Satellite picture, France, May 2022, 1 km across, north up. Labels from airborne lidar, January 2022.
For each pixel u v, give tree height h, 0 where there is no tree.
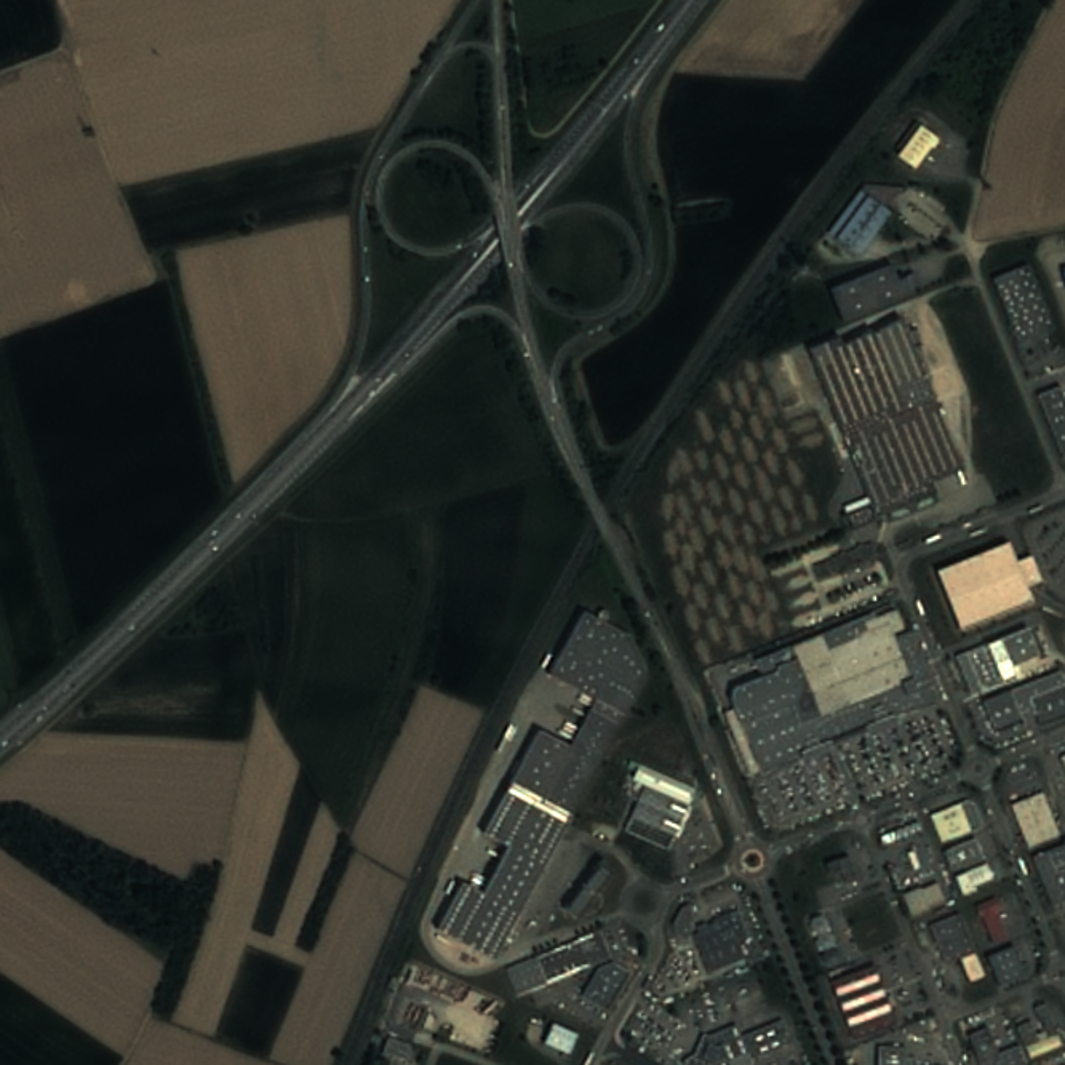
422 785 0
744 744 0
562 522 0
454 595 0
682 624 0
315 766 0
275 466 0
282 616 0
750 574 0
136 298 0
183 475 0
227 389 0
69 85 0
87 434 0
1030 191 0
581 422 10
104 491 0
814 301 0
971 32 8
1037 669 0
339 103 0
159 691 0
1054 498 0
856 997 0
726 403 0
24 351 0
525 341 0
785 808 0
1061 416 0
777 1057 0
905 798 0
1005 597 0
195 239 0
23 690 0
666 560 0
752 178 0
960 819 0
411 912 0
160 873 15
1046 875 0
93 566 0
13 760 0
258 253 0
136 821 0
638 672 0
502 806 0
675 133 0
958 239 0
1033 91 0
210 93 0
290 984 0
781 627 0
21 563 0
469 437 0
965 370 0
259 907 0
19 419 0
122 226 0
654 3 0
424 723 0
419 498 0
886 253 0
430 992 0
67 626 0
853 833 0
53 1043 0
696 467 0
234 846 0
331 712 0
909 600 0
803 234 0
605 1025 0
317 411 0
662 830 0
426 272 0
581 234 0
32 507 0
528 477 0
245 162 0
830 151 0
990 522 0
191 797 0
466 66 0
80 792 0
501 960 0
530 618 0
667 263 0
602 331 0
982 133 0
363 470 0
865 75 0
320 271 0
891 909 0
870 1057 0
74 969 0
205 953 0
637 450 0
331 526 0
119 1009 0
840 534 9
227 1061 0
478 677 0
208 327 0
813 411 0
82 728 0
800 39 0
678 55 0
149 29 0
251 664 0
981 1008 0
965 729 0
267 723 0
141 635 0
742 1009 0
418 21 0
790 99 0
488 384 0
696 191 0
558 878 0
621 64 0
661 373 0
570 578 0
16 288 0
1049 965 0
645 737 0
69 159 0
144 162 0
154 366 0
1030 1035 0
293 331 0
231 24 0
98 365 0
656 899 0
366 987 0
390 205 0
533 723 0
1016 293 0
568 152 0
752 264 0
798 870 0
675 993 0
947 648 0
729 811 0
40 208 0
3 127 0
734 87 0
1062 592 0
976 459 0
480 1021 0
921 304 0
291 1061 0
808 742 0
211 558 0
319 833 0
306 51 0
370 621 0
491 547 0
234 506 0
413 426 0
